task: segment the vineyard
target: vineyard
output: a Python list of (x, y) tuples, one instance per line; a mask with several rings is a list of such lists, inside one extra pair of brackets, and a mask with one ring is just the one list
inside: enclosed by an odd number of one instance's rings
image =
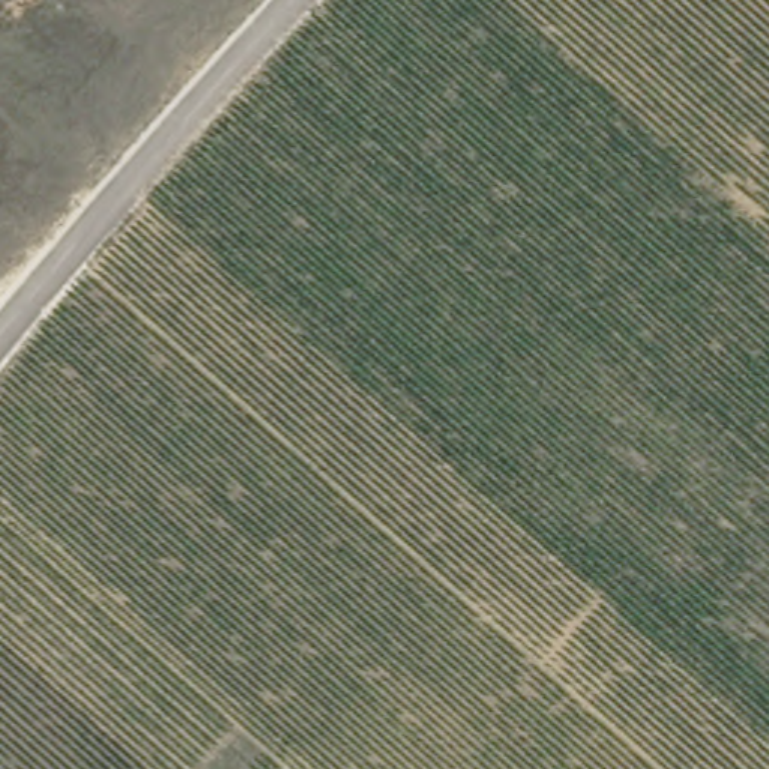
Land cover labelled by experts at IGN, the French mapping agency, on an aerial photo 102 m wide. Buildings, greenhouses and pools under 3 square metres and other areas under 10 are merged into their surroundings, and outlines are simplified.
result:
[(258, 81), (252, 81), (246, 93), (228, 105), (228, 111), (204, 132), (204, 138), (186, 150), (180, 165), (150, 192), (153, 207), (141, 219), (135, 213), (126, 213), (120, 219), (117, 237), (108, 237), (99, 246), (99, 255), (90, 252), (42, 312), (27, 306), (24, 315), (30, 315), (33, 324), (0, 360), (0, 769), (769, 769), (769, 0), (327, 0), (282, 45), (282, 51), (270, 57)]

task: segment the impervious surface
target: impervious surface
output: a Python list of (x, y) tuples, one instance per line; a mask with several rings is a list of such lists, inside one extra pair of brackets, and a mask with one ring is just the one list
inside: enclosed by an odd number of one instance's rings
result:
[(198, 87), (186, 99), (180, 99), (174, 114), (96, 195), (96, 201), (81, 213), (81, 219), (66, 231), (66, 237), (42, 258), (42, 264), (0, 309), (0, 360), (33, 324), (30, 315), (24, 315), (27, 306), (42, 312), (90, 252), (99, 255), (99, 246), (108, 237), (117, 237), (120, 219), (126, 213), (135, 213), (141, 219), (153, 207), (150, 192), (180, 165), (186, 150), (204, 138), (204, 132), (228, 111), (228, 105), (246, 93), (252, 81), (258, 81), (270, 57), (282, 51), (282, 45), (327, 0), (270, 0), (270, 6), (234, 39), (228, 54), (198, 81)]

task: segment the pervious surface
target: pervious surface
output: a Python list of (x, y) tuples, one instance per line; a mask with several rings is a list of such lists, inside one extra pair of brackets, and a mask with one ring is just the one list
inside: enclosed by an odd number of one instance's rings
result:
[(228, 54), (234, 39), (270, 6), (270, 0), (258, 0), (258, 6), (219, 42), (216, 51), (204, 57), (204, 63), (183, 81), (183, 87), (162, 105), (162, 111), (135, 135), (135, 141), (120, 153), (120, 159), (90, 189), (81, 189), (69, 198), (69, 213), (54, 222), (54, 228), (36, 249), (27, 249), (27, 261), (12, 273), (0, 276), (0, 309), (42, 264), (42, 258), (66, 237), (66, 231), (81, 219), (81, 213), (96, 201), (96, 195), (174, 114), (180, 99), (186, 99), (198, 87), (198, 81)]

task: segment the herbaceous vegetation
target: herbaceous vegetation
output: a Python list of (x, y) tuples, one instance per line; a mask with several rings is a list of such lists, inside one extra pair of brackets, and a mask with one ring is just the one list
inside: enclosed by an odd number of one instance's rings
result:
[(90, 189), (120, 159), (120, 153), (135, 141), (135, 135), (162, 111), (162, 105), (183, 87), (183, 81), (204, 63), (204, 57), (216, 51), (219, 42), (258, 6), (258, 0), (0, 0), (0, 276), (12, 273), (27, 261), (27, 249), (36, 249), (54, 228), (54, 222), (69, 213), (69, 198), (81, 189)]

